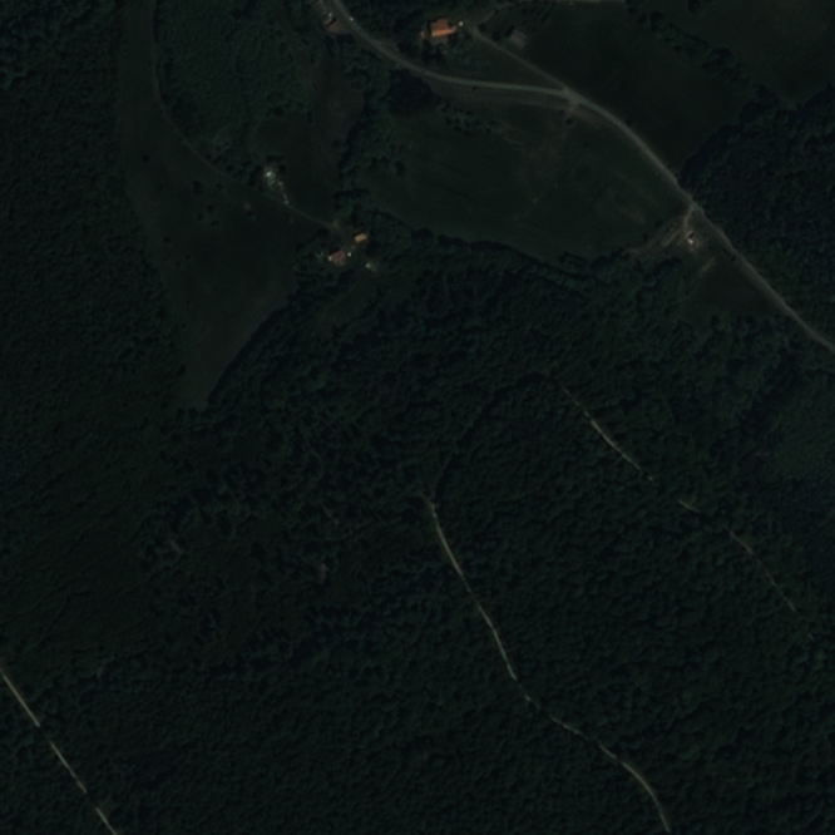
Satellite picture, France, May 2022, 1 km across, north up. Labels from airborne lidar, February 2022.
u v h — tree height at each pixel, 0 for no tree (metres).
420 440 26
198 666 24
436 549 16
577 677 29
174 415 12
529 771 28
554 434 25
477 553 27
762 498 18
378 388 29
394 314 0
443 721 27
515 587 26
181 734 22
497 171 0
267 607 15
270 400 27
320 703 31
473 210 0
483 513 23
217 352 0
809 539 16
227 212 0
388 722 32
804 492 32
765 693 36
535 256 0
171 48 16
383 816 22
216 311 0
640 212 0
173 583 13
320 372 24
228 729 24
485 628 25
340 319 0
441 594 29
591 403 22
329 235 9
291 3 21
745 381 29
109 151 22
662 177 0
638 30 0
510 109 0
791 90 0
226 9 14
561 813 26
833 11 0
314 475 29
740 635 32
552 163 0
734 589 33
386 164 17
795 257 31
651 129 0
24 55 30
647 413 33
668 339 21
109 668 0
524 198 0
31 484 13
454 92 0
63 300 22
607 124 0
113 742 12
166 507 13
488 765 25
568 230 0
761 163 15
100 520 11
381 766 24
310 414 31
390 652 27
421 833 22
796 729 34
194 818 22
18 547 11
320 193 0
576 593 29
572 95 0
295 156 0
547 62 0
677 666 32
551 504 29
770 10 0
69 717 21
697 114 0
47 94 26
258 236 0
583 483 28
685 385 16
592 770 26
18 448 22
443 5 12
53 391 21
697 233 0
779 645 30
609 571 25
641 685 24
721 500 22
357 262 0
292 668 34
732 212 26
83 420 16
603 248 0
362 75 17
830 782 30
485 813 28
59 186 22
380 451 35
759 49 0
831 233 29
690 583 31
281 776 24
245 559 11
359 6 26
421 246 17
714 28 0
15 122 21
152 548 7
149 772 17
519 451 23
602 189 0
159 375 16
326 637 30
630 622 27
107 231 24
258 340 13
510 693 27
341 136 0
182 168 0
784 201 13
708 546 29
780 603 27
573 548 29
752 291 0
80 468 14
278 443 31
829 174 13
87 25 19
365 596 11
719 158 26
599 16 0
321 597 34
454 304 14
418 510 33
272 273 0
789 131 27
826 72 0
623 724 32
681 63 0
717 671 28
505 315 22
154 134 0
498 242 0
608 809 28
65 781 23
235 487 36
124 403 15
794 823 31
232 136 0
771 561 32
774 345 23
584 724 14
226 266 0
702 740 31
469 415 20
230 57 20
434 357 14
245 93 20
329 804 23
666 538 30
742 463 30
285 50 18
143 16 0
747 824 28
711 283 0
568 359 27
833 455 25
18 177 22
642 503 30
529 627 30
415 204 0
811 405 26
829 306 30
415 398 24
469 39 19
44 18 33
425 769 23
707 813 27
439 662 27
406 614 33
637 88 0
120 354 25
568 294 28
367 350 22
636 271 17
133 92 0
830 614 24
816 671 34
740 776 25
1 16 15
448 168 0
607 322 29
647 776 27
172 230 0
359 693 32
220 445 30
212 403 13
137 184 0
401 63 0
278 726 26
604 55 0
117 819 11
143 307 24
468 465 25
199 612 16
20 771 26
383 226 20
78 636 12
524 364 24
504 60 0
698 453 29
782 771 30
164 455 14
